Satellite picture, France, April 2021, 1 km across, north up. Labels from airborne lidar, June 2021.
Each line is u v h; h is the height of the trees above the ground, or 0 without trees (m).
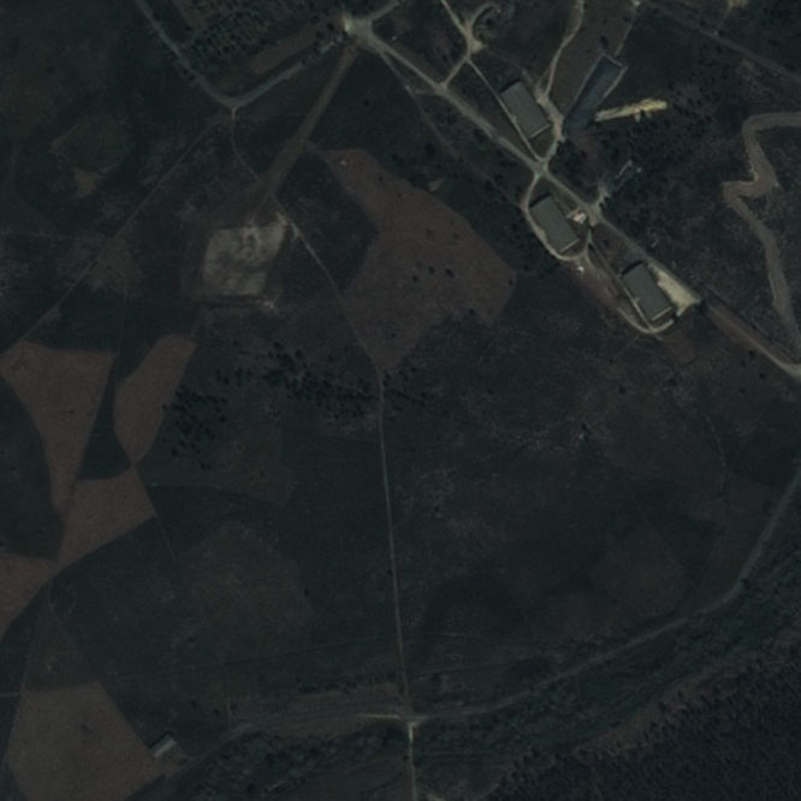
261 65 0
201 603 0
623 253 0
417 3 0
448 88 0
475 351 0
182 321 0
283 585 0
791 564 10
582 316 0
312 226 0
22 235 0
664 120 0
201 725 0
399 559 0
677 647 11
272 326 0
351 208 0
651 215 10
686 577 0
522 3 7
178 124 0
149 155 0
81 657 0
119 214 0
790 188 0
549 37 0
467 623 0
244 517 0
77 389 0
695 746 15
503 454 0
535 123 0
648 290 0
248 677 0
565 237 0
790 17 9
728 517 0
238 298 0
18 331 0
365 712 0
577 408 0
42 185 0
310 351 0
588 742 6
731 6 0
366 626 0
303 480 0
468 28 0
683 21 0
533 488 0
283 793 6
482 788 0
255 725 0
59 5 0
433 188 0
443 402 0
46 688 0
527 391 0
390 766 0
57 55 0
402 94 0
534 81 0
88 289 0
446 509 0
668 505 0
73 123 0
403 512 0
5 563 0
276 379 10
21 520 0
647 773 13
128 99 0
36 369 0
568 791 15
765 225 0
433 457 0
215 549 0
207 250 0
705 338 0
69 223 0
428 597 0
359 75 0
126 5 0
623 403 0
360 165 0
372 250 0
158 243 0
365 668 0
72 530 0
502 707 0
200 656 0
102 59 0
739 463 0
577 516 0
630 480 0
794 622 6
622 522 0
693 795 12
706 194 0
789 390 0
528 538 0
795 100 0
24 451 0
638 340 0
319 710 0
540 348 0
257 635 0
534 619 0
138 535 0
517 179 0
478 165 0
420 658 0
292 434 0
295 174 0
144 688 0
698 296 0
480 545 0
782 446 0
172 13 0
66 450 0
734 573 0
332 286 0
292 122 0
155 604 0
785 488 0
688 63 0
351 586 0
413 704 0
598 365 0
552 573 0
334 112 0
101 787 0
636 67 0
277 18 7
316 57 11
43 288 0
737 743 15
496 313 0
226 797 12
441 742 11
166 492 0
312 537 0
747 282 0
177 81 0
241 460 0
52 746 0
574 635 0
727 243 0
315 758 14
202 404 9
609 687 7
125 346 0
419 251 0
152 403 0
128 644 0
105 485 0
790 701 8
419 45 0
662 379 0
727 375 0
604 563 0
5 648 0
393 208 0
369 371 0
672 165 10
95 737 0
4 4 0
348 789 0
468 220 0
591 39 0
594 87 0
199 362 0
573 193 0
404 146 0
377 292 0
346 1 11
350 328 0
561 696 19
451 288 0
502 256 0
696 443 0
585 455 0
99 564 0
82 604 0
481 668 0
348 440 0
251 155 0
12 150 0
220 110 0
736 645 14
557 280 0
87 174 0
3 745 0
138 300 0
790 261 0
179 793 0
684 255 0
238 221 0
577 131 0
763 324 0
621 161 13
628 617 0
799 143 0
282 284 0
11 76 0
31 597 0
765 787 13
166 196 0
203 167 0
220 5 9
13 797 0
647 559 0
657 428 0
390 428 0
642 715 8
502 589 0
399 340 0
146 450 0
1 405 0
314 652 0
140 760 0
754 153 0
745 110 0
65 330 0
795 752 16
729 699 0
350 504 0
